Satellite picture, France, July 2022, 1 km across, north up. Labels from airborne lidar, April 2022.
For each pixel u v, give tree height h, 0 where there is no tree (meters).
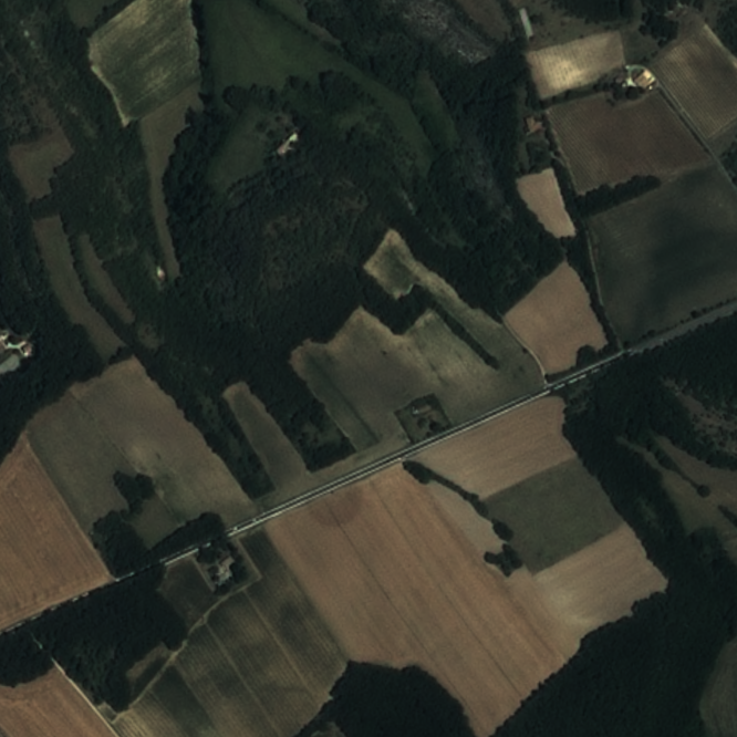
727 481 0
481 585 0
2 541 0
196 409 9
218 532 15
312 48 0
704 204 0
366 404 0
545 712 15
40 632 14
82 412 0
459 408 0
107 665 8
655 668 11
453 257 13
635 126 0
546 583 0
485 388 0
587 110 0
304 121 17
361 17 13
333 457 10
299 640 0
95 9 0
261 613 0
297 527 0
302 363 0
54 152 0
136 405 0
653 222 0
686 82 0
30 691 0
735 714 0
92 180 11
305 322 11
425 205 9
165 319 9
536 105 9
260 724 0
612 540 0
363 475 0
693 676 17
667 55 0
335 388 0
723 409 7
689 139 0
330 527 0
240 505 0
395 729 17
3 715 0
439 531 0
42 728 0
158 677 0
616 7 12
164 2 0
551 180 0
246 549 0
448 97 16
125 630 18
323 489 0
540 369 0
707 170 0
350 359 0
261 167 0
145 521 0
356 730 16
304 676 0
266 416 0
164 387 12
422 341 0
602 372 6
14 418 13
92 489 0
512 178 7
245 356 17
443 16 0
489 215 11
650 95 0
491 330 0
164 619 18
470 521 0
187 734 0
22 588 0
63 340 13
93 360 13
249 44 0
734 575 20
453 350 0
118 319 9
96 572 0
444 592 0
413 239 13
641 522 11
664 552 14
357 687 17
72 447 0
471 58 0
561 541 0
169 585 0
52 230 0
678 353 13
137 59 0
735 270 0
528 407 0
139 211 7
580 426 13
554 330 0
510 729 13
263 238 8
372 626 0
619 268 0
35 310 10
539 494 0
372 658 0
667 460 14
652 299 0
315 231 7
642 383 14
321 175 8
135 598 17
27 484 0
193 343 16
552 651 0
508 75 13
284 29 0
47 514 0
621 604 0
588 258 13
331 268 10
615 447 21
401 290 0
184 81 0
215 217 11
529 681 0
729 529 0
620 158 0
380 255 0
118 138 10
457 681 0
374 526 0
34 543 0
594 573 0
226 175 0
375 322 0
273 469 0
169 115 0
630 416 21
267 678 0
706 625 11
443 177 9
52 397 11
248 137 0
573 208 13
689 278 0
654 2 9
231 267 10
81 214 11
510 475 0
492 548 0
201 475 0
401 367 0
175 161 15
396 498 0
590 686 16
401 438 0
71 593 0
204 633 0
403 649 0
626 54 0
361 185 9
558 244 11
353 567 0
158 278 0
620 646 18
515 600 0
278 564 0
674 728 17
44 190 0
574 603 0
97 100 10
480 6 0
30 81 7
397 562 0
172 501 0
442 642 0
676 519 15
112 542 11
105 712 0
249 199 8
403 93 6
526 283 12
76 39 20
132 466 0
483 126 8
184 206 12
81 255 9
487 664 0
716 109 0
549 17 0
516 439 0
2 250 16
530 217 10
